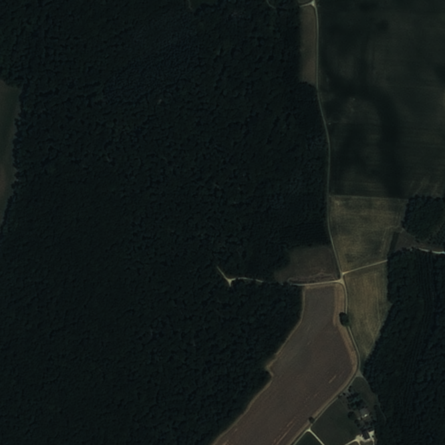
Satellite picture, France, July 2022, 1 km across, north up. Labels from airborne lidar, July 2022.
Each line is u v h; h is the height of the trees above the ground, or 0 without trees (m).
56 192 26
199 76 28
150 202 27
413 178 0
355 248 0
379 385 23
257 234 21
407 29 0
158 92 25
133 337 27
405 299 24
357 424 7
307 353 0
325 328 0
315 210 20
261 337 24
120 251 23
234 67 31
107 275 25
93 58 30
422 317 9
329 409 0
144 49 23
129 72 22
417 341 14
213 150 28
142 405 26
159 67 24
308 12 0
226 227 33
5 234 20
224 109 28
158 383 28
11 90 0
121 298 24
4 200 0
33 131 30
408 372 13
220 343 28
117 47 23
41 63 30
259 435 0
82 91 26
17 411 22
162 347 29
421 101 0
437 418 29
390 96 0
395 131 0
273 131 32
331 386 0
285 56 32
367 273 0
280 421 0
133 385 28
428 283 14
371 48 0
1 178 0
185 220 26
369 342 0
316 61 0
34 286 23
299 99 11
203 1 0
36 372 25
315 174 26
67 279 27
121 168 27
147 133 25
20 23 30
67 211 17
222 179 28
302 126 18
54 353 24
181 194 30
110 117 29
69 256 18
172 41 24
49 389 21
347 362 0
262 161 32
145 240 26
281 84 33
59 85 30
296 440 0
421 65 0
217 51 31
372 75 0
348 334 0
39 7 28
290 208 24
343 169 0
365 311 0
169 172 30
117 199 25
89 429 24
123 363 25
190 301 31
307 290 0
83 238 25
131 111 26
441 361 30
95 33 24
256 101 32
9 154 0
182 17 24
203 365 20
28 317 27
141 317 26
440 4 0
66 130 28
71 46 28
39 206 26
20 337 25
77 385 22
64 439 23
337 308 0
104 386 24
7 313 18
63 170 26
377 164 0
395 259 21
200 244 25
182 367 28
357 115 0
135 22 22
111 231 25
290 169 28
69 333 25
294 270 0
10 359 26
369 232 0
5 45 28
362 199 0
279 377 0
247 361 24
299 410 0
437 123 0
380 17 0
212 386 18
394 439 14
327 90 0
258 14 22
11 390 23
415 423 12
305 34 0
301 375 0
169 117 27
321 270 0
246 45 32
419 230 23
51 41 28
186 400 22
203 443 26
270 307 21
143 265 23
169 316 13
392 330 23
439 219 27
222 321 24
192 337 28
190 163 27
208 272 27
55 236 23
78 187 19
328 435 0
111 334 24
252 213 31
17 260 21
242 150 28
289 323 20
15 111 0
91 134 28
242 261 27
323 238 16
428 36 0
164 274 24
